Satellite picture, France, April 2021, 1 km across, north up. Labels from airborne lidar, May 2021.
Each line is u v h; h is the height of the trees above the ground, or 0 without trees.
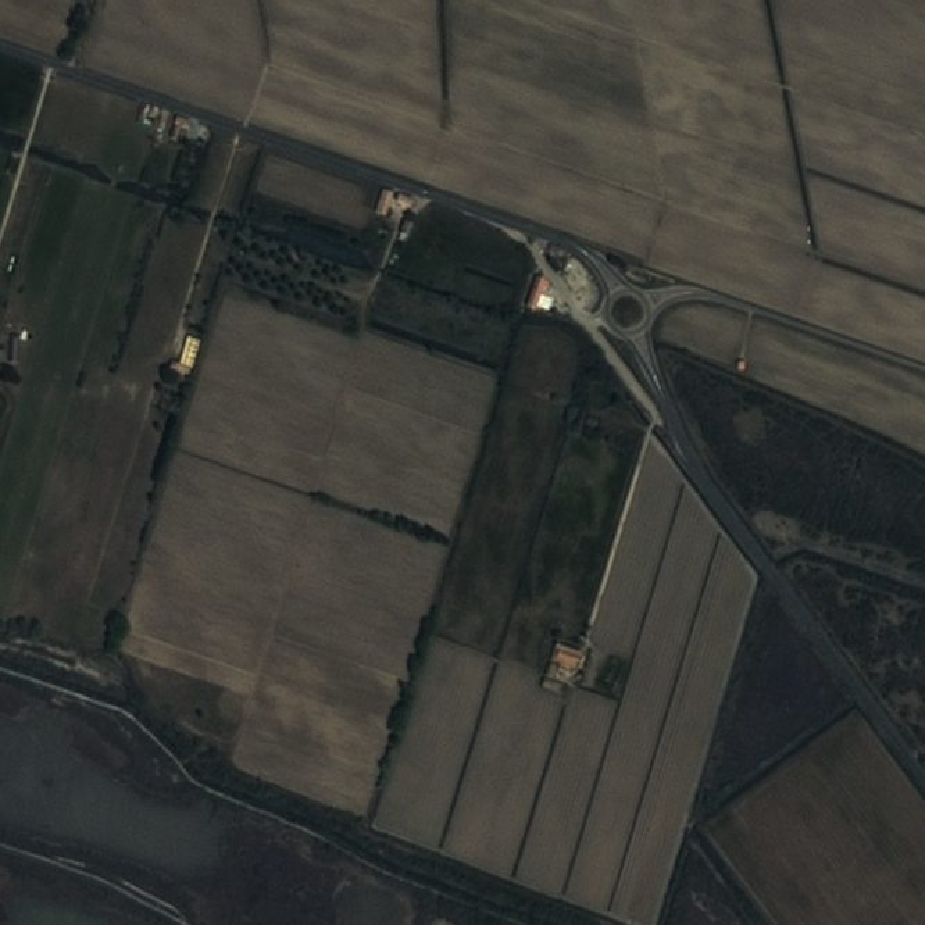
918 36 0
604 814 0
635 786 0
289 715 0
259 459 0
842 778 0
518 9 0
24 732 0
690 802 0
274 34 0
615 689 0
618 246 0
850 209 0
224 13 0
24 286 0
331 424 0
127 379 0
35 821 0
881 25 0
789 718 0
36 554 0
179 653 0
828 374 0
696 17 0
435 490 0
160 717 0
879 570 0
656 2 0
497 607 0
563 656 0
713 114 0
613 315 0
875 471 0
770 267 0
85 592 0
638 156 0
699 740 0
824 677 0
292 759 0
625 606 0
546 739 0
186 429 0
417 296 7
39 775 0
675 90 0
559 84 0
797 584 0
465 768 0
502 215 0
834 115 0
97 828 0
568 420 9
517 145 0
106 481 0
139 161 0
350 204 0
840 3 0
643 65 0
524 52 0
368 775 0
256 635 0
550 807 0
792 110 0
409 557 0
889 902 0
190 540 0
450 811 0
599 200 0
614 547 0
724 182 0
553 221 0
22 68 0
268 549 0
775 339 0
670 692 0
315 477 0
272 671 0
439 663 0
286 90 0
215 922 0
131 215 0
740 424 0
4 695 0
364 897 0
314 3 0
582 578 0
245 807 6
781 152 0
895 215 0
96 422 0
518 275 0
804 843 0
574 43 0
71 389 0
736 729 0
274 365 0
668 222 0
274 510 0
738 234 0
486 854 0
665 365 0
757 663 0
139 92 0
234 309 0
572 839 0
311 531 0
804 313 0
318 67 0
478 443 0
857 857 0
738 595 0
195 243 0
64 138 0
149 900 0
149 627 0
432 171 0
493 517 0
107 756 0
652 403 0
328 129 0
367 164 0
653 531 0
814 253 0
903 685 0
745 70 0
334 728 0
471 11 0
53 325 0
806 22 0
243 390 0
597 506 0
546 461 0
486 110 0
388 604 0
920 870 0
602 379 6
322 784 0
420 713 0
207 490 0
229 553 0
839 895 0
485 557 0
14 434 0
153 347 0
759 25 0
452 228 0
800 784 0
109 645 8
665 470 0
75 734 0
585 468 0
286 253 9
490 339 0
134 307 7
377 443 0
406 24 0
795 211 0
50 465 0
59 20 0
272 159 0
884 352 0
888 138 0
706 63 0
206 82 0
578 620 0
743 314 0
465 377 0
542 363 0
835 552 0
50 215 0
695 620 0
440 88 0
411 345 0
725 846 0
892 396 0
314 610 0
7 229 0
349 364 0
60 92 0
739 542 0
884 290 0
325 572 0
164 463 15
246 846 0
